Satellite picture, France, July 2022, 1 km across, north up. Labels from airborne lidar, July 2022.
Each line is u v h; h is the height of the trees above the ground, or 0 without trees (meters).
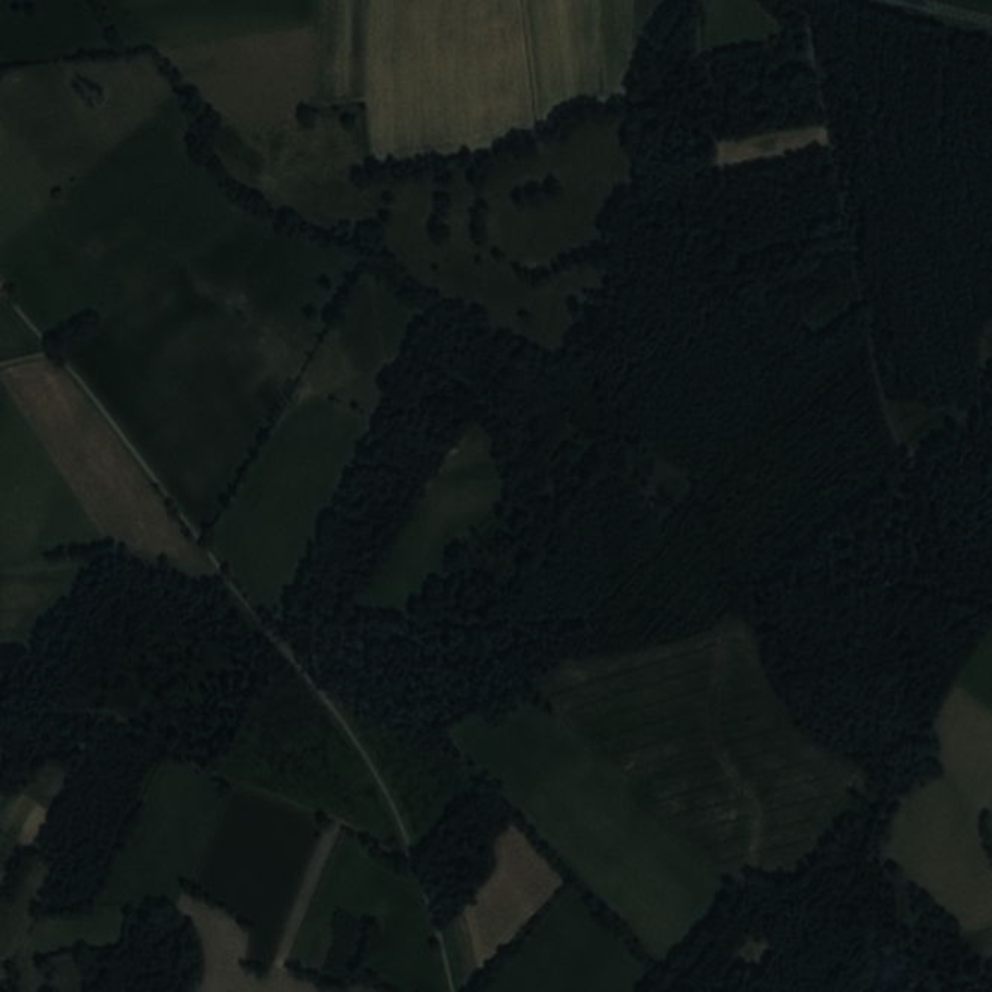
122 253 0
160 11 0
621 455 12
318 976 11
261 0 0
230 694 19
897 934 21
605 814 0
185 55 0
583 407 21
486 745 0
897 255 21
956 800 0
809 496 6
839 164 8
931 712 14
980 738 0
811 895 16
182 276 0
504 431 23
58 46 0
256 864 0
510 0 0
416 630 21
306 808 0
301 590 18
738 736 0
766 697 0
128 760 13
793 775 0
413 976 0
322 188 0
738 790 0
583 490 16
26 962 0
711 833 0
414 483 14
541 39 0
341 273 0
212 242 0
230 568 15
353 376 0
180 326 0
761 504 6
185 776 0
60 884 12
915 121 21
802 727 11
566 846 0
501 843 0
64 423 0
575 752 0
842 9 18
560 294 0
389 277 18
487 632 29
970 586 6
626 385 19
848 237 20
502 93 0
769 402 18
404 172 20
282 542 0
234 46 0
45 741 18
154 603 21
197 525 0
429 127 0
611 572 12
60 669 24
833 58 19
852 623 19
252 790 0
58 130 0
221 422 0
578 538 16
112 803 13
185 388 0
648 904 0
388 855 14
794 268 25
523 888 0
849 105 20
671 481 0
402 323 0
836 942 21
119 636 15
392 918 0
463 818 21
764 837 0
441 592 21
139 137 0
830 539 26
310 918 0
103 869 6
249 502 0
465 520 0
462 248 0
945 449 24
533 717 0
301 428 0
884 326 10
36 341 0
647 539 15
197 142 19
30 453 0
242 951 0
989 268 18
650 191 21
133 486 0
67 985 0
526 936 6
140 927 14
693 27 29
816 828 0
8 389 0
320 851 0
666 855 0
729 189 24
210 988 0
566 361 18
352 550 19
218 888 0
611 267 25
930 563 11
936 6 0
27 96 0
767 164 18
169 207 0
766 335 23
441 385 11
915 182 20
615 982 0
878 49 18
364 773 0
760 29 0
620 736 0
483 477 0
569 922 0
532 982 0
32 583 0
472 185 14
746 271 23
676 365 17
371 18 0
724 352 10
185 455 0
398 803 0
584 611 17
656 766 0
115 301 0
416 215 0
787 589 23
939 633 21
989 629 14
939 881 0
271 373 0
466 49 0
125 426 0
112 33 9
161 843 0
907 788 22
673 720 0
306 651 18
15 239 0
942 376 20
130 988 20
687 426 8
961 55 22
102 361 0
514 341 18
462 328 18
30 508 0
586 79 0
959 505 24
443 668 32
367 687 25
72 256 0
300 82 0
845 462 6
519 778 0
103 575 17
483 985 17
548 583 20
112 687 13
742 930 22
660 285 21
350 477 20
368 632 14
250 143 0
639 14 0
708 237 21
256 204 16
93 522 0
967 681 0
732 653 0
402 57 0
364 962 16
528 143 23
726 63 10
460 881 18
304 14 0
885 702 22
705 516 9
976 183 20
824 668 22
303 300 0
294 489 0
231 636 17
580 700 0
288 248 0
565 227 0
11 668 22
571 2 0
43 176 0
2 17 0
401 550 0
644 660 0
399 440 19
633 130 26
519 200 19
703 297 25
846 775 0
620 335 21
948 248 20
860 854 13
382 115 0
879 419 6
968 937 0
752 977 27
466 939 0
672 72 25
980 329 13
